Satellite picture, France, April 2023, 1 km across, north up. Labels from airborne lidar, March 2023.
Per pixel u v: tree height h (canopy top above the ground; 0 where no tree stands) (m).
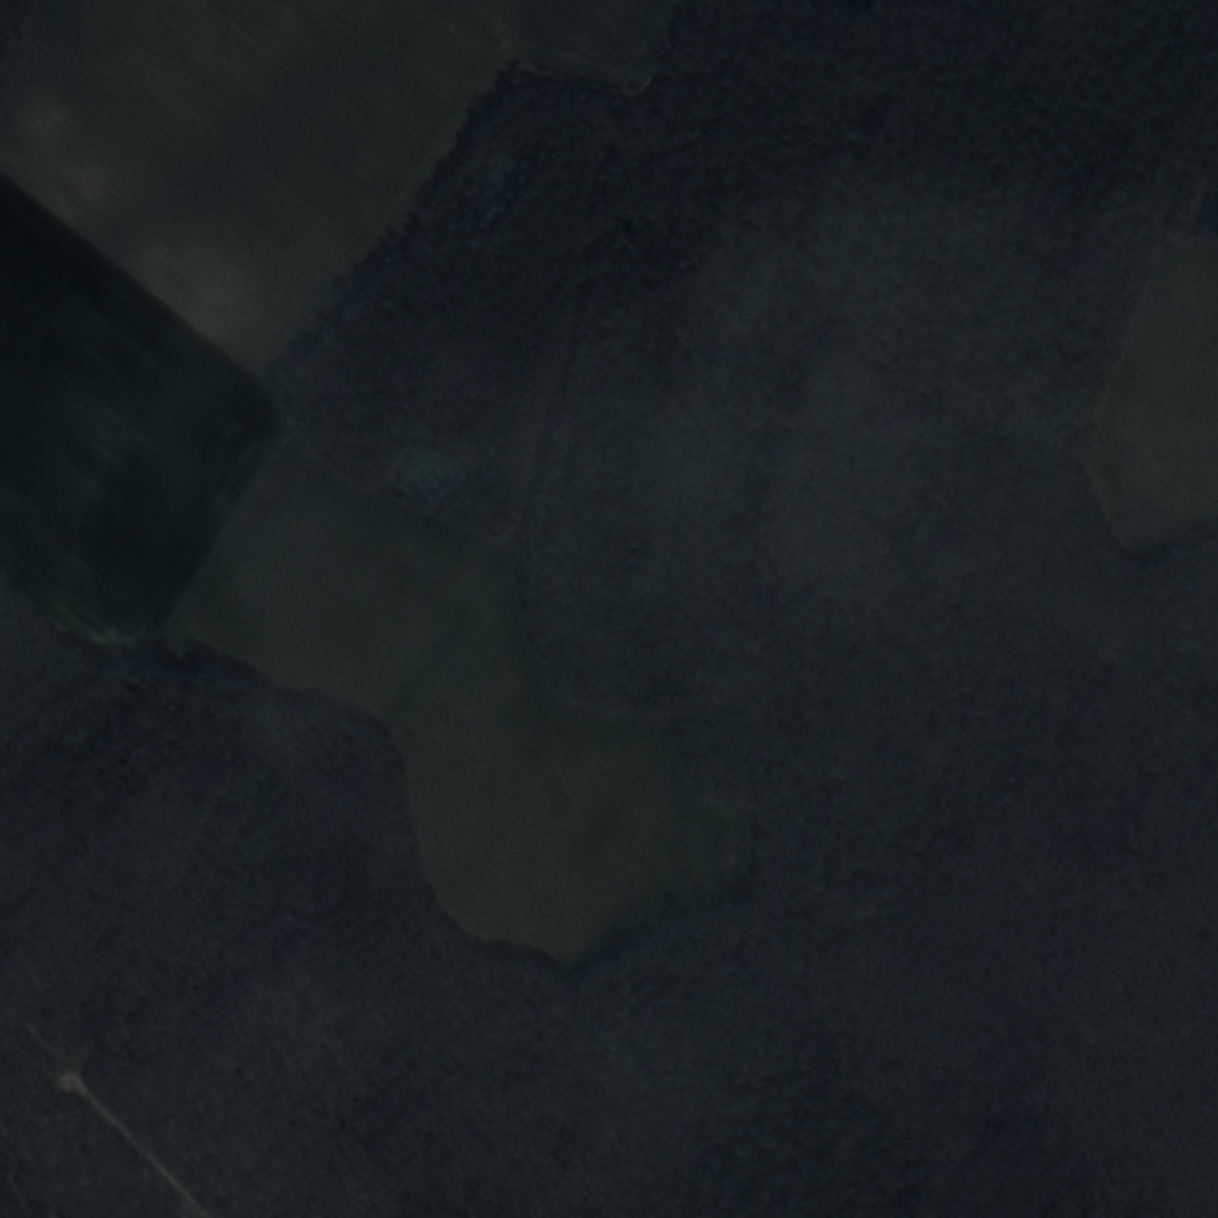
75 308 0
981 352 27
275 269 0
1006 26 28
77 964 23
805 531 19
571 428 20
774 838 25
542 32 0
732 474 24
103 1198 17
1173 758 19
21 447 0
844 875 21
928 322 21
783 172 22
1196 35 18
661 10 0
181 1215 17
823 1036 18
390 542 0
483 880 0
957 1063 13
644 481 19
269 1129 23
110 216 0
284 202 0
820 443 24
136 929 20
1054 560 16
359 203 0
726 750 30
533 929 0
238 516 0
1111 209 27
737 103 23
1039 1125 15
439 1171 24
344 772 15
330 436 21
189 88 0
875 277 22
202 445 0
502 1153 22
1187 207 24
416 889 20
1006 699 16
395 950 22
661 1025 26
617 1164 23
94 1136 20
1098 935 21
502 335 19
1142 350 0
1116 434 0
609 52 0
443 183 13
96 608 0
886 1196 20
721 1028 21
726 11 21
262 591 0
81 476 0
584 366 21
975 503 19
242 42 0
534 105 20
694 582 26
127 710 20
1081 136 22
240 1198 23
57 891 24
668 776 0
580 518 20
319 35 0
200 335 0
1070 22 27
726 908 16
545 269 15
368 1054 23
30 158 0
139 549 0
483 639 0
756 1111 11
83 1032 24
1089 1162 20
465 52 0
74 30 0
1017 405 25
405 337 20
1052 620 18
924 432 17
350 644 0
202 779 22
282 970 19
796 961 19
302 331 0
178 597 0
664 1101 24
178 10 0
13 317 0
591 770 0
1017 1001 16
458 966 21
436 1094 24
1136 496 0
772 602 26
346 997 24
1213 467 0
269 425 0
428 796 0
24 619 19
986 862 16
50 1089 12
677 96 25
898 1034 16
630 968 22
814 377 25
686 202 23
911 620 22
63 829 19
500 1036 27
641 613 24
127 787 15
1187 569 23
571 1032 13
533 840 0
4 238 0
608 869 0
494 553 0
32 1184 24
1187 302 0
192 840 25
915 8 23
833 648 28
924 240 24
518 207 19
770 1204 28
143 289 0
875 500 20
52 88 0
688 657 24
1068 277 17
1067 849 15
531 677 0
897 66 23
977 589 24
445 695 0
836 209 27
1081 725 16
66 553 0
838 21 22
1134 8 24
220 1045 22
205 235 0
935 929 17
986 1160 18
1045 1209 15
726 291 26
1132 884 20
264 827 24
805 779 24
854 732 26
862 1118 27
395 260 16
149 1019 20
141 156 0
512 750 0
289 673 0
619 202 22
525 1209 26
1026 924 15
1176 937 20
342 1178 24
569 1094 24
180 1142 25
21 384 0
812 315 23
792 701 23
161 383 0
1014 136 25
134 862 24
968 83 24
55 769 23
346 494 0
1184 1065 17
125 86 0
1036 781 21
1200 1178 18
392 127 0
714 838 0
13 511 0
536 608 19
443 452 9
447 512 13
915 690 23
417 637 0
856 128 20
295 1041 25
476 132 12
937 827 22
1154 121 24
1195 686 22
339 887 21
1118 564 23
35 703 22
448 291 20
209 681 22
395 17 0
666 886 0
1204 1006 21
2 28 23
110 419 0
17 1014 21
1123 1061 23
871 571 23
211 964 22
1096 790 17
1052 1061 20
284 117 0
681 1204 20
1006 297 19
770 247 22
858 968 24
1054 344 20
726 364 28
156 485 0
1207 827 18
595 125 23
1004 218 24
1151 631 19
